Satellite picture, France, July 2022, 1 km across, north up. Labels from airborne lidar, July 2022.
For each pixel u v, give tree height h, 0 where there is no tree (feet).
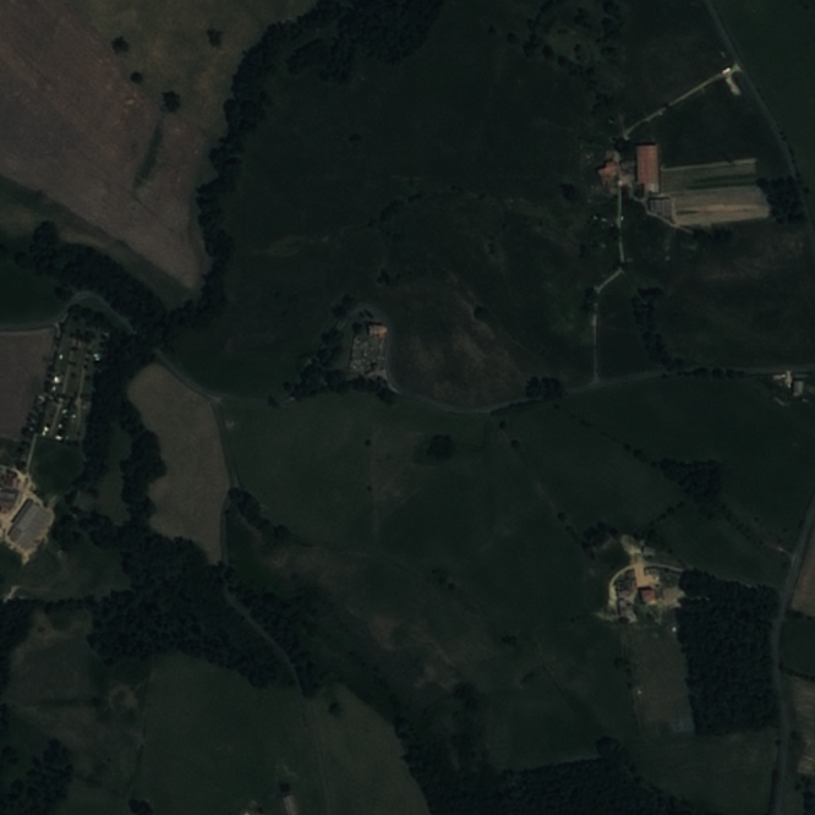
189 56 0
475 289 0
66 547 66
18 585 0
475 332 0
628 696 0
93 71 0
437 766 22
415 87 0
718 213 0
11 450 0
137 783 0
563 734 0
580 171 0
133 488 81
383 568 0
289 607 37
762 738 0
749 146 0
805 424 0
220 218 55
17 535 0
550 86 0
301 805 0
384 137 0
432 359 0
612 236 28
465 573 0
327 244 0
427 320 0
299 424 0
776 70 0
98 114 0
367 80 0
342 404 0
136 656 75
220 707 0
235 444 0
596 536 70
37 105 0
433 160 0
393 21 44
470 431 0
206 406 0
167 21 0
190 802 0
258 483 0
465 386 0
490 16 0
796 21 0
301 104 0
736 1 0
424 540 0
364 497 0
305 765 0
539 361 0
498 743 0
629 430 0
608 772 68
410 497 0
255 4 0
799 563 0
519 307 0
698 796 0
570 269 0
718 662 56
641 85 0
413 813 0
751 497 0
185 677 0
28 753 0
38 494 30
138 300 51
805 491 0
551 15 34
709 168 0
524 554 0
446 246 0
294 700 0
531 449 0
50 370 31
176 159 0
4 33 0
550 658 0
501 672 0
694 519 0
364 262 0
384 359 0
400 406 0
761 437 0
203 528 0
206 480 0
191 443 0
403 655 0
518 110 0
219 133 0
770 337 0
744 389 0
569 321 0
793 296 0
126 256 0
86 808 0
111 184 0
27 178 0
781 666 22
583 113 0
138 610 49
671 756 0
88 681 0
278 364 0
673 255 0
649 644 0
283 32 68
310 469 0
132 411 75
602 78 0
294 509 0
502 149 0
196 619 80
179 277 0
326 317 0
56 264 82
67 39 0
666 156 0
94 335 24
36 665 0
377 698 0
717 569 0
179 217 0
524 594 0
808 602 0
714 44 0
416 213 0
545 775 49
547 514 0
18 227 0
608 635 0
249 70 73
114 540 98
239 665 66
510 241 0
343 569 0
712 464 37
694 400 0
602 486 0
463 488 0
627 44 0
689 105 0
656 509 0
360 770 0
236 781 0
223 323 0
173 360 0
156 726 0
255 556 0
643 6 0
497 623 0
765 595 35
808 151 0
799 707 0
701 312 0
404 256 0
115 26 0
